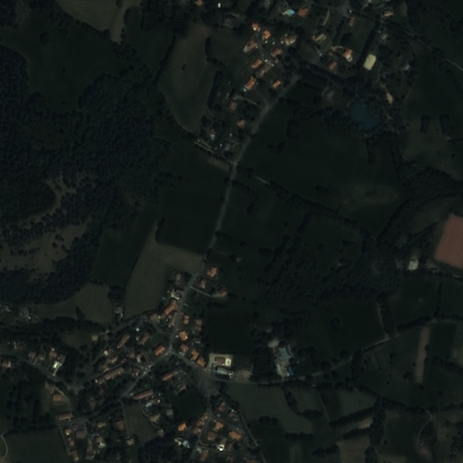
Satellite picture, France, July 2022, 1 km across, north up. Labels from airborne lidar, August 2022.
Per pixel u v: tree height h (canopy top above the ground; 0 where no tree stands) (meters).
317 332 0
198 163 0
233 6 11
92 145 19
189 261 0
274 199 0
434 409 16
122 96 14
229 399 16
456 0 0
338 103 0
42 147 10
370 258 5
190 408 0
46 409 0
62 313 0
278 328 29
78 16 0
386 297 23
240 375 0
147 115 21
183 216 0
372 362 0
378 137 17
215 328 0
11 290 16
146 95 19
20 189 10
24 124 27
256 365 10
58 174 19
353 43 0
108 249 0
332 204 0
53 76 0
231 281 0
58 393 0
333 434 0
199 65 0
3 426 0
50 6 17
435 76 0
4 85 25
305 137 0
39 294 8
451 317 11
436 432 0
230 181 16
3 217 12
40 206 16
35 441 0
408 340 0
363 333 0
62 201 8
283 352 0
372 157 15
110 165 30
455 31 22
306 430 0
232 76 0
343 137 0
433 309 0
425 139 0
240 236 0
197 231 0
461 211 0
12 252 7
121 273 0
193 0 8
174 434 14
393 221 14
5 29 0
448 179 18
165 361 0
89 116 17
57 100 0
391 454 0
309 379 19
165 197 0
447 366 17
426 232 8
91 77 0
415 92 0
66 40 0
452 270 0
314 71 17
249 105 13
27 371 14
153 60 0
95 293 0
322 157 0
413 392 0
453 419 0
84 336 0
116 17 0
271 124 0
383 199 0
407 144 0
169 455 16
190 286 0
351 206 0
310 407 0
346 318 0
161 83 0
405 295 0
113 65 0
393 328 17
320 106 15
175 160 0
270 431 0
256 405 0
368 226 0
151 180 14
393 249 18
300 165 0
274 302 5
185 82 0
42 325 7
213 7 9
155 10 13
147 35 0
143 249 0
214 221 0
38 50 0
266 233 0
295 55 20
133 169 15
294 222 0
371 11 18
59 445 0
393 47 0
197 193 0
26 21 0
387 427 0
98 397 9
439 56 19
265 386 7
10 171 14
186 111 0
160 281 0
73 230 0
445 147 0
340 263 9
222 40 0
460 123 0
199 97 0
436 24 0
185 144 0
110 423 12
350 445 0
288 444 0
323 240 0
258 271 0
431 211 0
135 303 0
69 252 13
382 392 0
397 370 0
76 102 0
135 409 0
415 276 15
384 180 0
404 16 0
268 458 0
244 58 0
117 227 16
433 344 0
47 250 0
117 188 16
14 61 23
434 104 0
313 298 10
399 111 12
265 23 8
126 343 7
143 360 19
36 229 9
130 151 29
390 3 11
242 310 0
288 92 0
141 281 0
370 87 22
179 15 6
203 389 0
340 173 0
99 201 15
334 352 0
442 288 12
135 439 7
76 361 8
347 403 0
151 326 10
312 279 7
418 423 0
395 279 7
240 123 0
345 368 0
